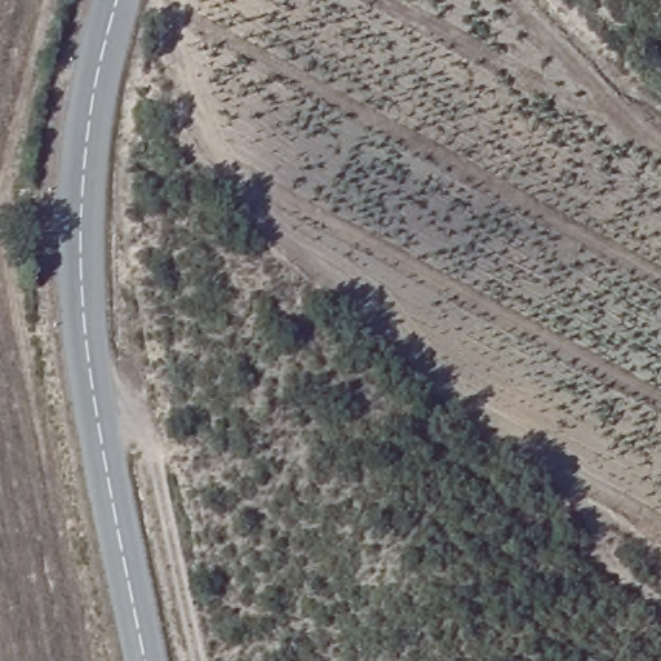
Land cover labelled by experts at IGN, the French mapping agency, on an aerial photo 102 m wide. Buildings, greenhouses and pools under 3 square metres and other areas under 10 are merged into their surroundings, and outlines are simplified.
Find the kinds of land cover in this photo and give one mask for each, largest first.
<instances>
[{"label":"vineyard","instance_id":"1","mask_svg":"<svg viewBox=\"0 0 661 661\"><path fill-rule=\"evenodd\" d=\"M139 8H160L163 13V46L168 49V54L160 57L168 67V77L186 93L176 101H168L170 124L165 127V142L176 155H181L176 160L178 173L199 176L207 165H214V176L230 181L235 209L243 212L248 217V227L256 230L271 245L266 253L256 258L232 253L225 245L214 250L225 258V274L230 276V284L240 289L232 302V312L243 320L245 338L253 336L258 323V300L253 297V292L258 289H266L271 297H276L284 312L300 315L305 294L312 289H328V302L349 297V302L359 312V320L372 331V336H380L403 367L429 380L431 390L426 400L434 405L447 403L454 392L465 398L473 395L483 405L488 423L498 431V436H516V442L511 444L514 454L527 457L529 465L547 467L553 491L560 498V509L568 514L576 529L586 532V545H591L594 550L602 534L604 522L617 524L625 532L646 540L648 547H656L661 553V101L640 90L643 77L633 67V62H625L615 49H609V44L602 41L599 34L589 28L586 18L563 0H139Z\"/></svg>","mask_w":661,"mask_h":661},{"label":"brushwood","instance_id":"2","mask_svg":"<svg viewBox=\"0 0 661 661\"><path fill-rule=\"evenodd\" d=\"M586 18L589 28L599 34L602 41L609 44V49H615L625 62H633V67L643 77L640 90L661 101V0H563ZM46 90H39L34 108L28 114V134L23 139L21 160V173L34 178V165L41 142L39 129L52 127V121L41 116ZM199 214H204L201 201L181 199L178 207L168 204V212L139 217L137 222L147 235L160 238L158 248H145L139 253V261L150 269V274L145 276V294L158 312L160 331H139L129 336V341H134L142 349L147 341H160L165 356L170 359V369L163 372V377L173 382L168 431V436L181 444L188 442L196 447L194 467L207 473L209 485L188 491L196 503V519L188 522L178 478H168V491L186 558V573L207 646V661H661V602L643 596L640 589L630 584H622L617 573L607 571V565L594 555V550L591 545H586V532L576 529L568 514L560 509V498L553 491L547 467L529 465L527 457L514 454L511 444L516 442V436H498V431L488 423L483 405L473 395L465 398L454 392L447 403L434 405L431 421H421L418 416H413L411 403L390 398L380 387V367H351L349 359L338 351L336 341L331 338L328 328L318 333L305 315H300L284 312L276 297H271L266 289H258L253 292V297L258 300V323L253 336L245 338L243 320L232 312V302L240 289L230 284V276L225 274V258L214 250L209 243V230L199 227ZM372 529L392 537H408V532L416 529L413 545L400 555L395 584L361 586L356 581V571L361 563L359 547L364 542V534ZM41 284H36L31 287V292L23 294L26 323H39ZM620 534L622 545L617 550V558L638 578H646L653 589L661 591V553L656 547H648L646 540L625 532L617 524L604 522L602 534Z\"/></svg>","mask_w":661,"mask_h":661},{"label":"herbaceous vegetation","instance_id":"3","mask_svg":"<svg viewBox=\"0 0 661 661\"><path fill-rule=\"evenodd\" d=\"M83 0H41L28 70L21 83L15 116L8 129L10 142L5 150V163L0 168V209L10 201L39 199L57 194V178L46 170L52 145L57 139V132L52 127L39 129L41 142L34 165V178L21 173V160L23 139L28 134V114L34 108L39 90H46L41 116L52 121L62 98L57 77L75 57L77 8ZM134 26L114 101L103 207L106 328L114 367L134 390H147L150 421L155 431H168L173 382L163 377V372L170 369V359L165 356L160 341H147L142 349L134 341H129V336L139 331H160L158 312L145 294V276L150 274V269L139 261V253L145 248H158L160 238L147 235L137 222L129 217V207L134 201L132 150L137 142H142V137L134 129V106L155 98L168 101H176L186 93L168 77V67L160 57L152 62V70L145 72V59L134 57ZM0 263L8 279L10 318L21 346V361L31 398V416L39 436V454L46 449V442H52L54 449L57 496L62 501L65 519L57 524V529L59 540L67 542V565L77 573V589L83 594L85 607L90 661H124L96 534L93 506L85 483L70 382L65 372L59 294L57 284L52 281V276L59 269V243L46 232H39L36 284H41L39 323H26L23 294L18 287V269L10 263L8 248L0 240ZM196 447L188 442L181 444V454L165 460L168 478H178L188 522L196 519V503L188 491L209 485L207 473L194 467ZM142 454H127L132 501L152 584L165 661H178L168 630L152 542L145 527V509L139 501L137 462Z\"/></svg>","mask_w":661,"mask_h":661},{"label":"impervious surface","instance_id":"4","mask_svg":"<svg viewBox=\"0 0 661 661\"><path fill-rule=\"evenodd\" d=\"M139 8V0H83L77 8L75 57L57 77L62 98L52 121V127L57 132V139L52 145L46 170L57 178V194L39 199V232H46L59 243V269L52 276V281L57 284L59 294L65 372L70 382L85 483L93 506L96 534L124 661H165L152 584L132 501L127 454V447L119 444L116 387L111 382L114 367L106 328L103 207L114 101L134 26Z\"/></svg>","mask_w":661,"mask_h":661},{"label":"agricultural land","instance_id":"5","mask_svg":"<svg viewBox=\"0 0 661 661\"><path fill-rule=\"evenodd\" d=\"M41 0H0V168L5 163V150L10 142L8 129L15 116L21 83L28 70ZM65 519L62 501L57 496L54 449L52 442H46V449L39 454V436L31 416V398L21 361V346L10 318L8 279L0 263V661H90L85 607L83 594L77 589V573L67 565V542L59 540L57 529V524Z\"/></svg>","mask_w":661,"mask_h":661},{"label":"deciduous trees","instance_id":"6","mask_svg":"<svg viewBox=\"0 0 661 661\"><path fill-rule=\"evenodd\" d=\"M134 57L145 59V72L152 70V62L160 57L168 54V49L163 46V13L160 8H139L134 26ZM170 124L168 101L155 98L134 106V129L142 137V142H137L132 150L134 201L129 207V217L137 222L139 217L168 212V204L178 207L181 199L201 201L204 214H199V227L209 230V243L214 250L225 245L232 253L256 258L266 253L271 245L256 230L248 227V217L243 212L235 209L230 181L214 176V165H207L199 176L178 173L176 160L181 155H176L165 142V127ZM39 199L10 201L0 209V240L8 248L10 263L18 269V287L23 294L31 292V287L36 284L39 232ZM328 289H312L305 294L300 315H305L318 333L328 328L331 338L336 341L338 351L349 359L351 367H380V387L390 398L411 403L413 416H418L421 421H431L434 405L426 400L431 390L429 380L403 367L380 336H372V331L359 320V312L349 302V297L328 302Z\"/></svg>","mask_w":661,"mask_h":661},{"label":"pervious surface","instance_id":"7","mask_svg":"<svg viewBox=\"0 0 661 661\"><path fill-rule=\"evenodd\" d=\"M111 382L116 387L119 444L127 447V454H142L137 462L139 501L145 509V527L152 542L168 630L178 661H207V646L186 573V558L168 491V478L165 460L181 454V444L168 436V431H155L150 421L147 390H134L114 367ZM622 545L620 534H602L594 550V555L607 565V571L617 573L622 584H630L640 589L643 596L661 602V591L653 589L646 578H638L617 558V550Z\"/></svg>","mask_w":661,"mask_h":661},{"label":"bare soil","instance_id":"8","mask_svg":"<svg viewBox=\"0 0 661 661\"><path fill-rule=\"evenodd\" d=\"M416 529L408 532V537H392L372 529L364 534V542L359 547L361 563L356 571V581L361 586L395 584L400 555L413 545Z\"/></svg>","mask_w":661,"mask_h":661}]
</instances>
